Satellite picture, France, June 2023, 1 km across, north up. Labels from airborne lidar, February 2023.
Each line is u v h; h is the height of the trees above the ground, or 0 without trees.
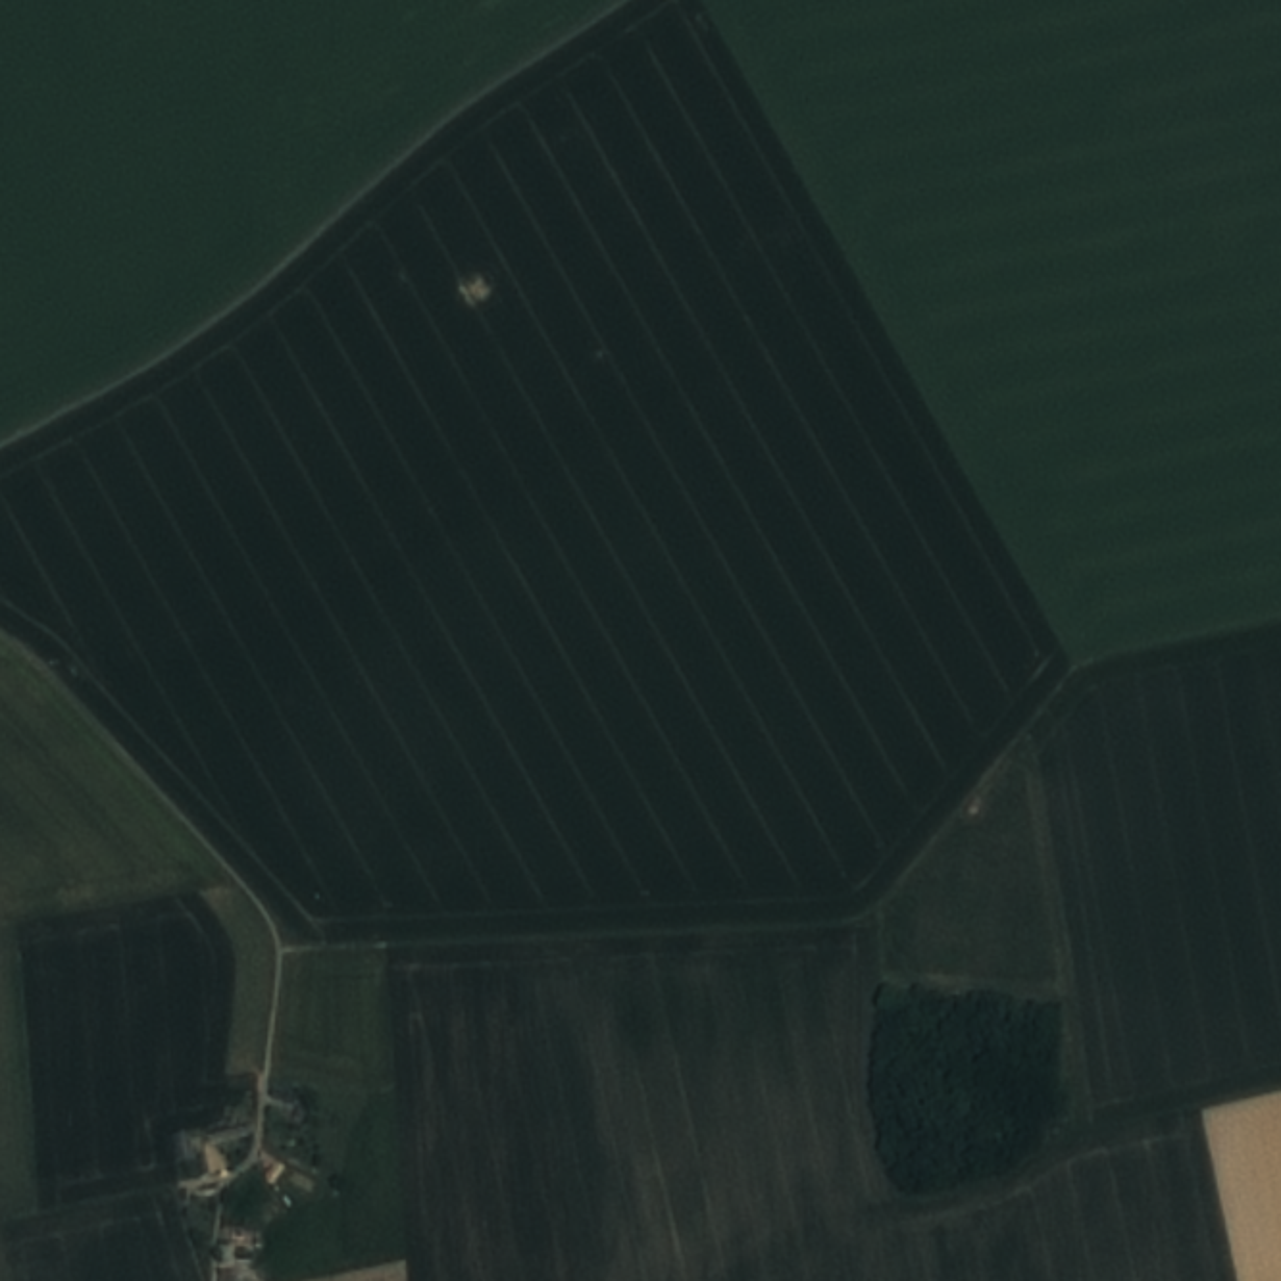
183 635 0
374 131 0
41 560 0
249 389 0
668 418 0
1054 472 0
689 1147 0
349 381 0
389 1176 0
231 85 0
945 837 0
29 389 0
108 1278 0
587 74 0
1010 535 0
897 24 0
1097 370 0
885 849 0
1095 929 0
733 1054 0
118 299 0
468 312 0
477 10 0
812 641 0
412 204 0
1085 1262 0
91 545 0
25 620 0
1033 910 0
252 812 0
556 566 0
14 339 0
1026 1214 0
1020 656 0
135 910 0
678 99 0
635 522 0
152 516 0
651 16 0
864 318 0
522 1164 0
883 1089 15
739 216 0
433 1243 0
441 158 0
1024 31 0
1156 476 0
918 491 0
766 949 0
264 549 0
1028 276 0
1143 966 0
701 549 0
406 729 0
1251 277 0
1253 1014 0
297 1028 0
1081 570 0
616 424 0
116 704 0
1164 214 0
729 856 0
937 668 0
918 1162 15
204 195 0
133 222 0
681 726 0
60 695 0
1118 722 0
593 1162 0
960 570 0
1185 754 0
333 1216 0
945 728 0
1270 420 0
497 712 0
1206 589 0
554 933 0
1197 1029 0
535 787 0
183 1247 0
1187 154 0
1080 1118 0
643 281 0
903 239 0
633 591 0
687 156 0
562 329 0
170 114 0
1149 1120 0
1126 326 0
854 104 0
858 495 0
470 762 0
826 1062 0
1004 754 0
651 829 0
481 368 0
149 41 0
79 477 0
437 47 0
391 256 0
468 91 0
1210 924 0
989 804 0
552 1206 0
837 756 0
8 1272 0
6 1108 0
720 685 0
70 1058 0
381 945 0
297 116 0
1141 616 0
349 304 0
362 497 0
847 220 0
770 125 0
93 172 0
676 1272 0
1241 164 0
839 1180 0
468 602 0
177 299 0
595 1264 0
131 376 0
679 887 0
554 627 0
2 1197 0
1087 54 0
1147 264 0
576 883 0
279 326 0
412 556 0
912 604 0
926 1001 13
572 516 0
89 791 0
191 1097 0
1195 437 0
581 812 0
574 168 0
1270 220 0
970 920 0
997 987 0
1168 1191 0
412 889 0
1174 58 0
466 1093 0
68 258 0
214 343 0
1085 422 0
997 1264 0
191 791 0
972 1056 18
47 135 0
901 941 0
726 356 0
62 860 0
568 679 0
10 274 0
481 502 0
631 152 0
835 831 0
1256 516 0
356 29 0
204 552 0
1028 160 0
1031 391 0
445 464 0
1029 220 0
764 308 0
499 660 0
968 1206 0
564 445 0
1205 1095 0
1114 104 0
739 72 0
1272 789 0
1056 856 0
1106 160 0
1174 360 0
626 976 0
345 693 0
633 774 0
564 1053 0
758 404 0
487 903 0
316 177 0
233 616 0
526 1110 0
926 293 0
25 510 0
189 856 0
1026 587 0
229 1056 0
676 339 0
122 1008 0
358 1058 0
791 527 0
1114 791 0
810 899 0
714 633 0
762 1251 0
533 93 0
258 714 0
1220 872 0
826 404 0
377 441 0
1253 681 0
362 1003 0
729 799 0
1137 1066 0
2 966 0
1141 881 0
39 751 0
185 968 0
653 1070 0
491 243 0
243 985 0
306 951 0
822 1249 0
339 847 0
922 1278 0
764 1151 0
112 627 0
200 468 0
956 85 0
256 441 0
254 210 0
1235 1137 0
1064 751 0
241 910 0
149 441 0
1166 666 0
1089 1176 0
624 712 0
